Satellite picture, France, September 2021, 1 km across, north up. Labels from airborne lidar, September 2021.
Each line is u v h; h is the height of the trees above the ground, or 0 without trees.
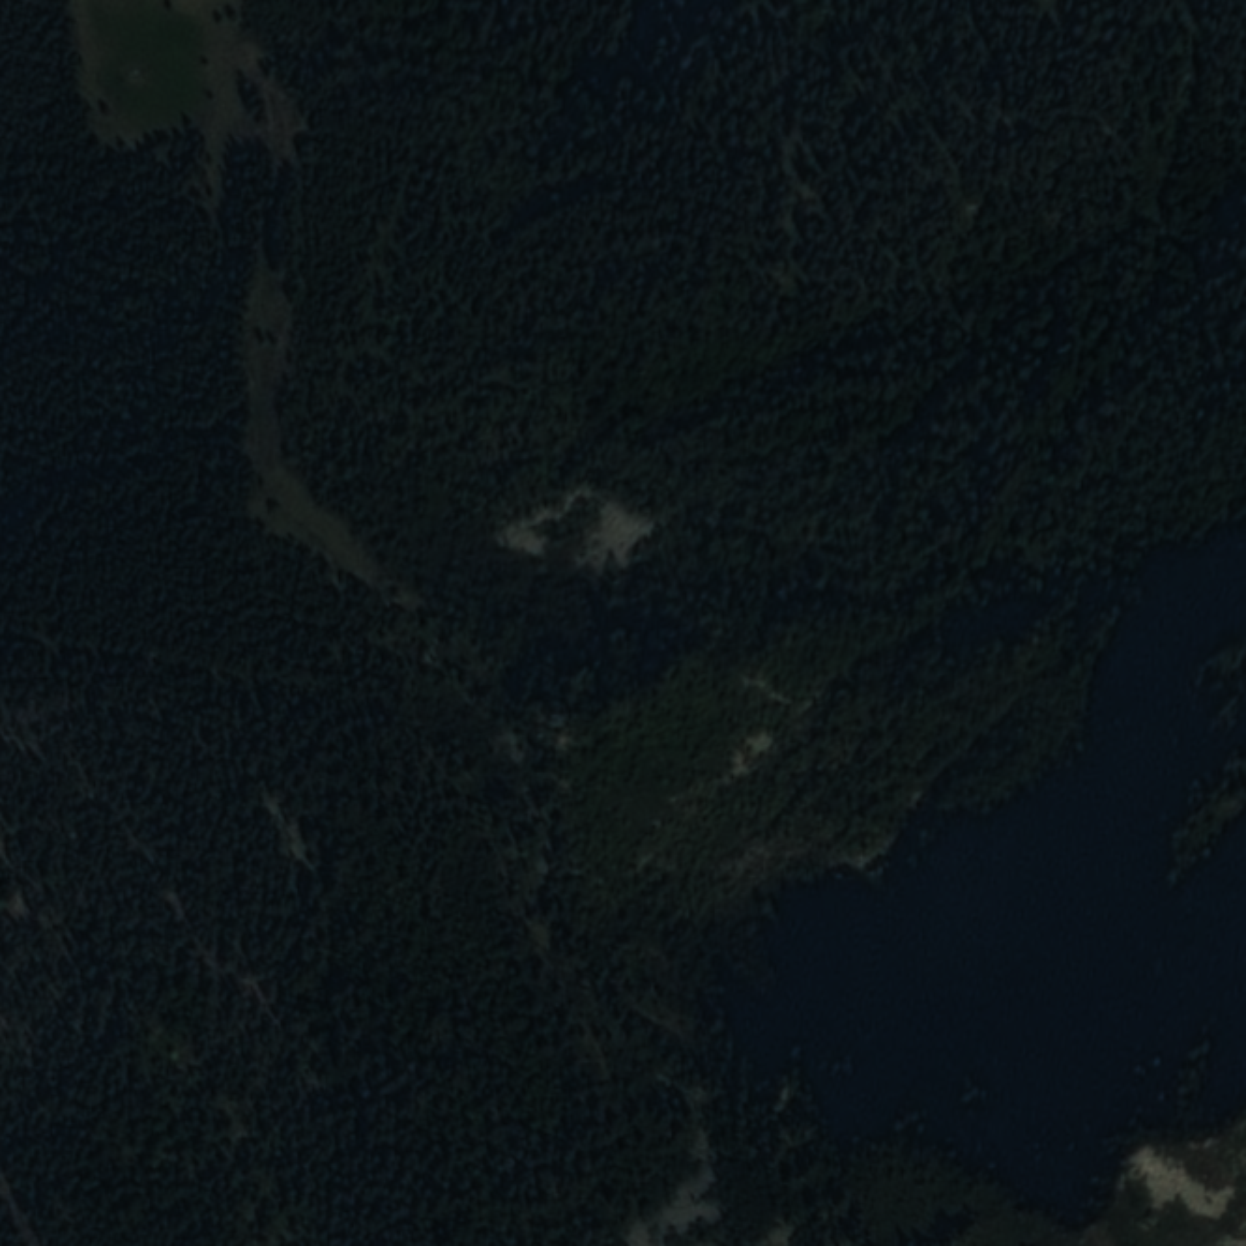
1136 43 18
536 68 13
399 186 15
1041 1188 5
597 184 10
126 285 7
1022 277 11
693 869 6
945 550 9
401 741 20
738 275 13
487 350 8
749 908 0
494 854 9
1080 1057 6
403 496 12
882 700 6
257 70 0
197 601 16
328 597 11
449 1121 14
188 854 26
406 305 9
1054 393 22
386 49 7
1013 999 9
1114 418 10
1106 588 11
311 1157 23
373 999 10
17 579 20
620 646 9
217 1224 11
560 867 13
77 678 17
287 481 0
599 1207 6
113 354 19
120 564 15
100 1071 23
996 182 25
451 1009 7
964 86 31
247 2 8
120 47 0
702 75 25
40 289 8
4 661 24
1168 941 10
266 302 0
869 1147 10
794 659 9
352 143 8
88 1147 22
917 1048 10
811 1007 6
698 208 9
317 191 11
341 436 12
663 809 0
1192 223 18
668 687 6
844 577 6
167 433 7
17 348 21
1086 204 14
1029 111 27
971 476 6
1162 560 9
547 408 10
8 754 26
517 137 8
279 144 0
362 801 7
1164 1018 14
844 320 8
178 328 13
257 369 0
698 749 8
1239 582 13
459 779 9
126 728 26
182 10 0
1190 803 8
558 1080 8
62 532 16
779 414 13
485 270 11
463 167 7
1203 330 22
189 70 0
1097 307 18
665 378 13
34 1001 24
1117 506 9
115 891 22
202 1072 8
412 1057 14
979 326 16
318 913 27
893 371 16
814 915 0
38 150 23
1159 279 9
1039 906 8
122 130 0
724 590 15
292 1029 23
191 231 10
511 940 18
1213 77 23
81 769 17
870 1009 11
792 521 9
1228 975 6
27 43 21
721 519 7
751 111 26
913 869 6
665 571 10
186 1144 7
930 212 24
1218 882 9
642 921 6
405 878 14
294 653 12
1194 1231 0
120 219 23
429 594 8
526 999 6
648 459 10
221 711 22
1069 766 7
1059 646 9
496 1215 10
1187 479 16
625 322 11
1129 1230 0
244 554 16
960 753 7
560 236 20
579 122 9
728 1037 7
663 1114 14
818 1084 6
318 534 0
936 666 6
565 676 10
